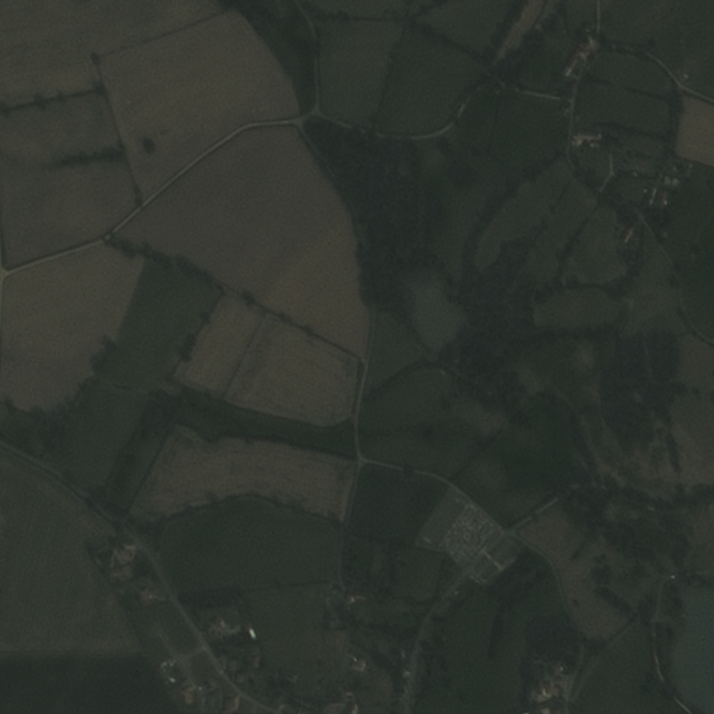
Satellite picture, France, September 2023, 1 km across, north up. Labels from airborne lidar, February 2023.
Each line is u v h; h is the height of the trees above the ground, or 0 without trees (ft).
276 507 40
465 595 0
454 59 0
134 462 20
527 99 0
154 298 0
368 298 48
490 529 0
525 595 26
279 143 0
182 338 0
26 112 0
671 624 0
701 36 0
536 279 0
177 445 0
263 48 0
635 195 0
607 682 0
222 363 0
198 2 0
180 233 0
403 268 38
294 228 0
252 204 0
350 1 0
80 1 0
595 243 0
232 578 0
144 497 0
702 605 0
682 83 0
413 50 0
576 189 0
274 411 0
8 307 0
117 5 0
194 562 0
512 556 0
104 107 0
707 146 0
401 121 0
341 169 27
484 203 0
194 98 0
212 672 0
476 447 0
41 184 0
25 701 0
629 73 0
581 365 0
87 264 0
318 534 0
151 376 0
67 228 0
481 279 0
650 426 0
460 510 0
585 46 0
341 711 0
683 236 0
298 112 0
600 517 19
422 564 0
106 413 0
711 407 0
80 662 0
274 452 0
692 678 0
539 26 0
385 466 0
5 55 0
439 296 0
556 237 0
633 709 0
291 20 0
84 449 0
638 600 0
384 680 0
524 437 0
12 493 0
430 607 40
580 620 0
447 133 0
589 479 74
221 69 0
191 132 0
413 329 47
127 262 0
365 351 0
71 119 0
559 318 0
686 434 0
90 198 0
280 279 0
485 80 41
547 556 0
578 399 0
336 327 0
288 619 0
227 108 0
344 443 0
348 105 0
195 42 0
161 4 0
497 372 60
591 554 0
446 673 43
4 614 0
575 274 0
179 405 50
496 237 0
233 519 0
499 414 0
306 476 0
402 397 0
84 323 0
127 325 0
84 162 35
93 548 37
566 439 0
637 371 54
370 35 0
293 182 0
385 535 0
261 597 0
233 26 0
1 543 0
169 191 0
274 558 0
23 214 0
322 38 31
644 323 0
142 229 0
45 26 0
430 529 0
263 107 0
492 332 43
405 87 0
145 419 24
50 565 0
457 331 0
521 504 0
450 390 0
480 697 0
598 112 0
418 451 0
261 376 0
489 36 0
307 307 0
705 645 0
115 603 0
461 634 0
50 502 0
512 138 0
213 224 0
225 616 0
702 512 0
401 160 80
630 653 0
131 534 0
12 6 0
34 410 0
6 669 0
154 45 0
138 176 0
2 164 0
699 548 0
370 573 28
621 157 0
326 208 0
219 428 0
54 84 0
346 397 0
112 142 0
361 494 0
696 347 0
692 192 0
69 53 0
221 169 0
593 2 0
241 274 0
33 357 0
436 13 0
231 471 0
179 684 0
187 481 0
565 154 18
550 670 29
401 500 0
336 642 0
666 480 0
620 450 0
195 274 42
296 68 0
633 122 0
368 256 29
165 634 0
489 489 0
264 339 0
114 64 0
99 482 0
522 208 0
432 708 0
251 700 0
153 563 0
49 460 0
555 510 0
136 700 0
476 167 0
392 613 0
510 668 0
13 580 0
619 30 0
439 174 0
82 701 0
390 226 79
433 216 87
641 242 0
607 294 51
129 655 0
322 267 0
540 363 0
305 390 0
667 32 0
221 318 0
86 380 0
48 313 0
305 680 0
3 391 0
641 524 0
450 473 0
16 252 0
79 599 0
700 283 0
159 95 0
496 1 0
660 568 32
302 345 0
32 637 0
